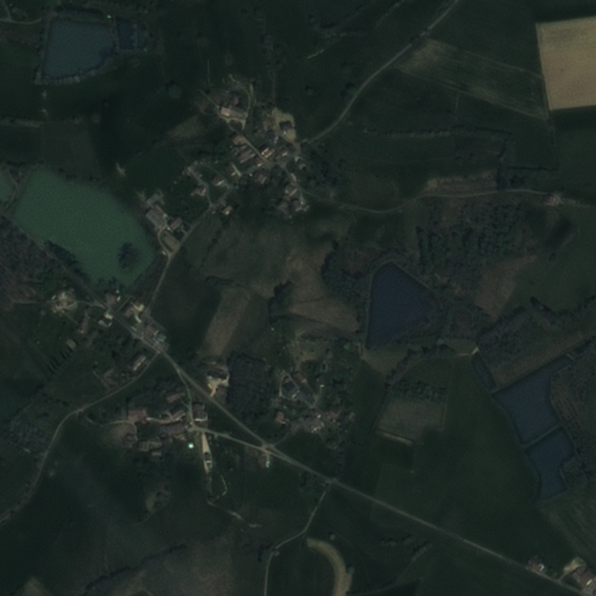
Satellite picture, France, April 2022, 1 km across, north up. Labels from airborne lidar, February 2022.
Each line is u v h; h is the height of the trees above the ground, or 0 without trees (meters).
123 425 0
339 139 0
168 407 11
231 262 0
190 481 0
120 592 0
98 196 0
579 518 0
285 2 0
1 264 27
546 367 0
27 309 0
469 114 0
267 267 0
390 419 0
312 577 0
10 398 0
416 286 0
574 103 0
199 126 0
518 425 0
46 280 24
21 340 0
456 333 0
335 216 0
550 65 0
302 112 0
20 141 0
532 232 0
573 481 21
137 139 0
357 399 0
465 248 7
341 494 0
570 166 0
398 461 0
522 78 0
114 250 0
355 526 0
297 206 0
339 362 7
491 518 0
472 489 0
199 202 0
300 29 0
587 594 0
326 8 0
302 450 0
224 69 0
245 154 0
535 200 0
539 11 0
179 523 0
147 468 6
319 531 0
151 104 0
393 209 0
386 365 0
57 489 0
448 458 0
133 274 0
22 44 0
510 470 0
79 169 0
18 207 0
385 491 0
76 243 0
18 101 0
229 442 0
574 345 0
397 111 0
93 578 0
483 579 0
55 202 0
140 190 0
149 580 0
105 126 0
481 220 16
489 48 0
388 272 0
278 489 0
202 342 0
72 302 0
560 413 0
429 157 0
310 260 0
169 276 0
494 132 8
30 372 0
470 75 0
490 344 21
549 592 0
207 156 9
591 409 0
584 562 0
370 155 0
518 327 25
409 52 0
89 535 0
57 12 10
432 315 0
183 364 7
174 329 0
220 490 0
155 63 0
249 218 0
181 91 17
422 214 0
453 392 0
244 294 0
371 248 0
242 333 0
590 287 0
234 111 0
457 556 0
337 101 0
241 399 24
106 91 0
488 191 0
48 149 0
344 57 0
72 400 0
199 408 0
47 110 0
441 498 0
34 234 0
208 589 0
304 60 0
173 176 0
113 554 0
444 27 0
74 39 0
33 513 0
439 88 0
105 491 0
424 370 0
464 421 0
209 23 0
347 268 0
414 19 0
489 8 0
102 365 0
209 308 0
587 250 0
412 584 0
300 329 0
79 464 0
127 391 0
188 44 0
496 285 0
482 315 13
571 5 0
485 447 0
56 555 0
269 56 14
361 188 0
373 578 0
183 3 0
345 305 0
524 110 0
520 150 0
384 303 0
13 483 0
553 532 0
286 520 0
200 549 0
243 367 22
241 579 0
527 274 0
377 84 0
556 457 0
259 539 0
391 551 0
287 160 0
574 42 0
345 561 0
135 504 0
